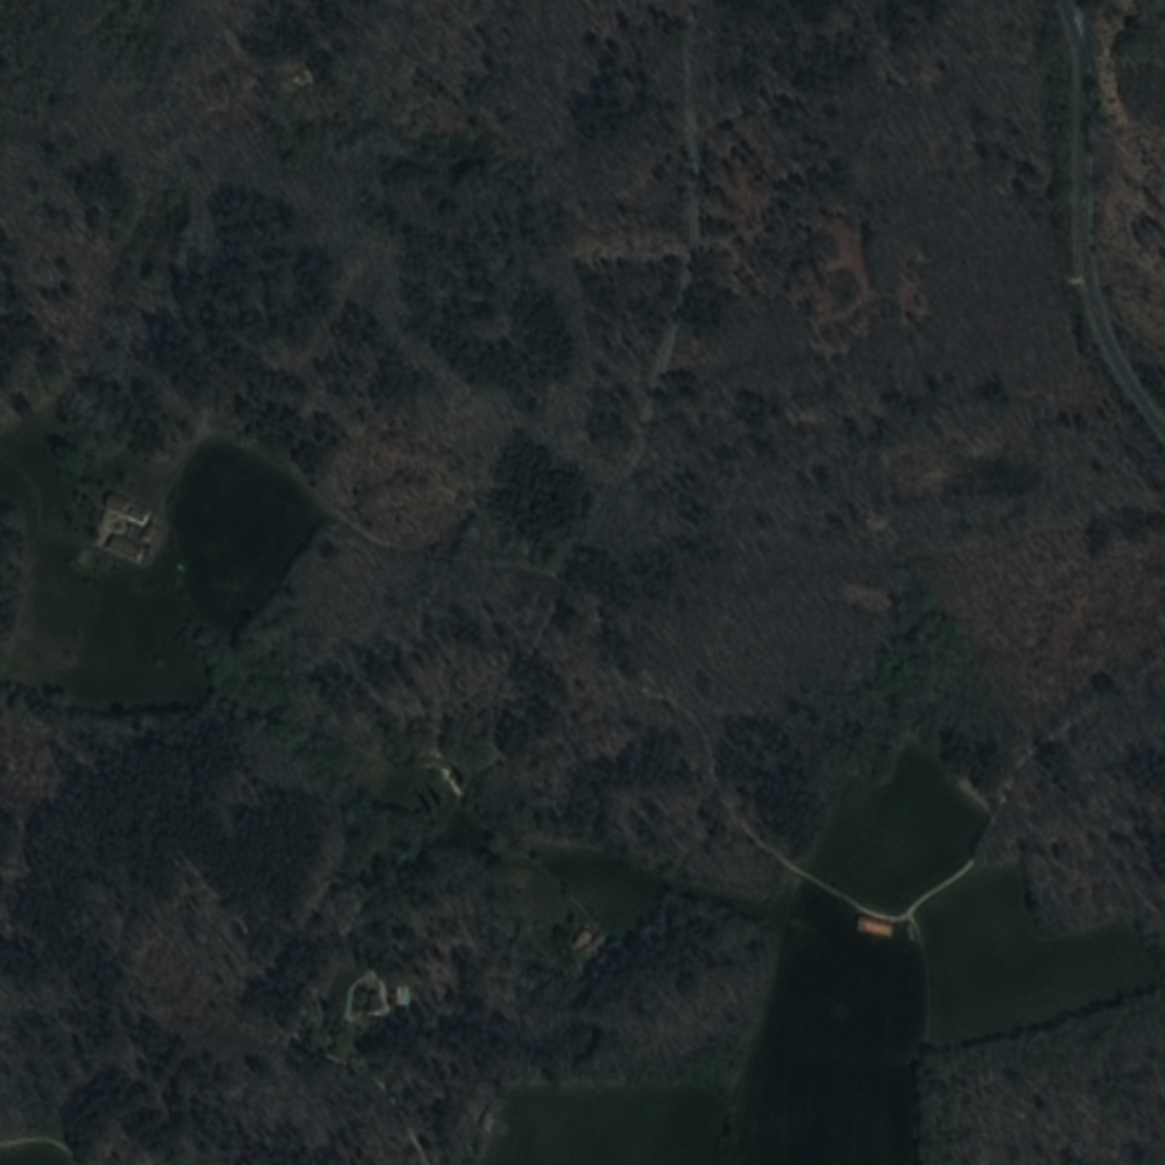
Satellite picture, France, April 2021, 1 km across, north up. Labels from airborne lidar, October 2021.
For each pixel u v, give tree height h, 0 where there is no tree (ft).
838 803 48
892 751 58
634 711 36
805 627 51
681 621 56
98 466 51
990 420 48
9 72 53
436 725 44
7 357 88
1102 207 52
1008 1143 37
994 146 62
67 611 0
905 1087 0
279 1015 61
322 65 50
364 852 88
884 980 0
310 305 78
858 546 42
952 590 30
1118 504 43
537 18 55
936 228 58
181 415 38
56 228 79
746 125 45
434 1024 66
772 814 78
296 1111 52
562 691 95
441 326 79
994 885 0
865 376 49
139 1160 49
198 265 56
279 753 61
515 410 52
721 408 59
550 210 59
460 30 54
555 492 72
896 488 21
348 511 25
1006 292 44
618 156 52
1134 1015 50
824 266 32
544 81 49
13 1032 61
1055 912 56
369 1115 57
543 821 46
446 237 52
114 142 58
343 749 71
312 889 76
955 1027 0
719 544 47
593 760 49
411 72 55
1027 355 31
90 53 63
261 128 55
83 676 0
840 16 38
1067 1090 56
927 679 77
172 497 0
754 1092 0
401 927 54
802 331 43
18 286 85
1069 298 34
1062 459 57
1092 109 45
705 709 56
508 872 69
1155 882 35
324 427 46
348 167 64
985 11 49
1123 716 52
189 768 72
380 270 56
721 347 39
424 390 94
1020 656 24
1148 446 34
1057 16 52
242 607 0
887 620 41
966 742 58
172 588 0
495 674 44
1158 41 58
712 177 63
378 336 93
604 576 82
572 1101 0
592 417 57
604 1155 0
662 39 49
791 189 46
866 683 55
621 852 50
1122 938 0
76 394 46
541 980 62
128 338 70
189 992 22
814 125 81
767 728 45
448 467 42
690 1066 37
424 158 37
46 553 0
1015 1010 0
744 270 36
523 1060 68
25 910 55
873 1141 0
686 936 72
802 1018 0
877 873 0
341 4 67
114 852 89
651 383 40
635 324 40
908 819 0
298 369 31
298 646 60
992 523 47
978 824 0
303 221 57
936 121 63
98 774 52
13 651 55
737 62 52
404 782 0
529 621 48
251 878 72
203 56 58
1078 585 37
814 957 0
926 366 42
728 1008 58
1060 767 96
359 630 54
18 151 58
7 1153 0
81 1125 74
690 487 45
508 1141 0
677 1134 0
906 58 54
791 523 60
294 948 52
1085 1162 50
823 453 56
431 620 58
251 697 55
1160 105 46
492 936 35
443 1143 77
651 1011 71
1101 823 31
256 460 0
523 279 49
